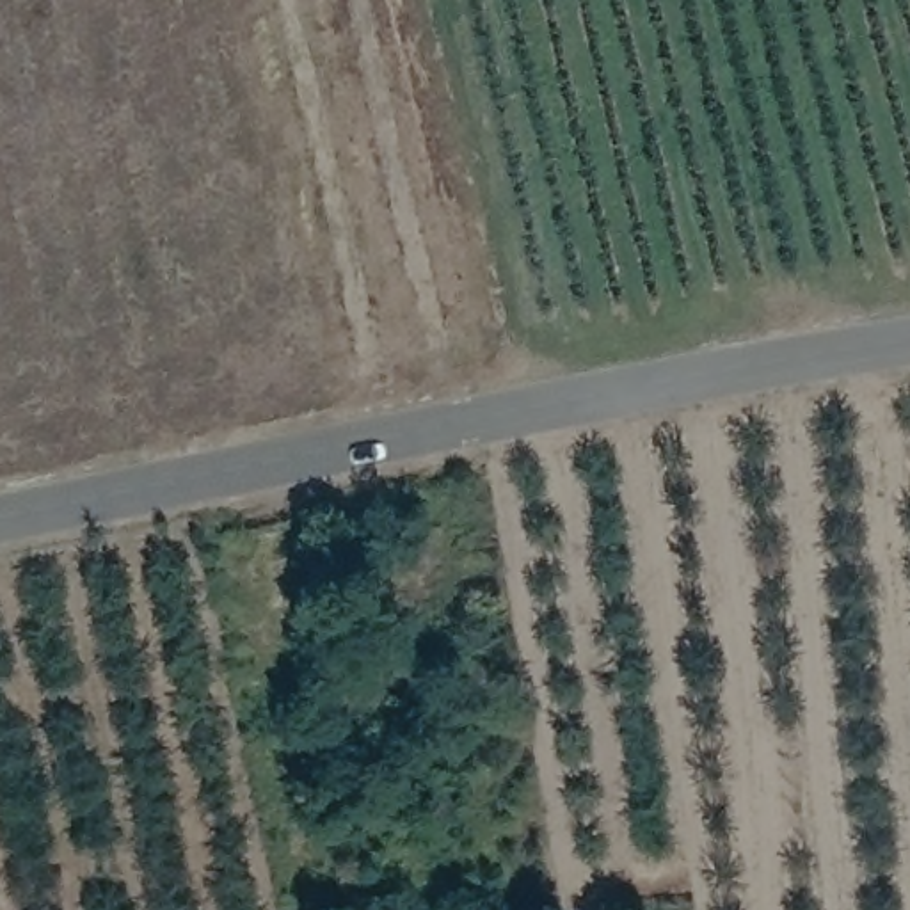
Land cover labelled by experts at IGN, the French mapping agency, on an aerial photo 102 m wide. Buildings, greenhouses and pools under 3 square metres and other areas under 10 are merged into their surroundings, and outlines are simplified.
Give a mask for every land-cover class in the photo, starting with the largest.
<instances>
[{"label":"agricultural land","instance_id":"1","mask_svg":"<svg viewBox=\"0 0 910 910\"><path fill-rule=\"evenodd\" d=\"M910 316V0H0V494L75 483L89 476L142 469L153 462H178L256 441L334 430L345 423L402 416L430 405H466L505 391L583 380L672 359H693L707 352L750 348L850 327L903 323Z\"/></svg>","mask_w":910,"mask_h":910},{"label":"deciduous trees","instance_id":"2","mask_svg":"<svg viewBox=\"0 0 910 910\"><path fill-rule=\"evenodd\" d=\"M818 444L821 487L825 494L864 491L860 466L853 459L857 416L842 398H828V405L818 409L810 427ZM729 437L739 451V491L750 505V551L757 558L761 579L754 594V647L771 683L764 690V704L775 714L778 729H793L800 722L803 700L793 686L796 640L786 626V526L771 512V501L782 491V476L775 466H764L771 448L768 423L729 419ZM572 469L579 473L590 501V576L597 583L601 601L594 640L615 651V668L601 672L597 683L604 690H619L622 697L615 707V729L622 739V771L629 789L626 818L633 846L647 857H665L672 846L665 810L668 775L658 722L647 704L651 654L643 643V615L629 601L633 558L626 544V508L619 498V462L608 441H579ZM658 459L665 473L668 505L679 519H690L697 512V501L690 483V455L679 441L661 448ZM508 473L523 498V530L533 544L558 547L562 515L547 501L540 459L526 444H515L512 451ZM288 526L281 523L270 530H249V515L231 508L192 512L188 537L196 540L199 558L188 562L178 540L146 537L142 579L164 640L174 729L181 732L185 757L199 778V803L213 814L206 878L217 910H259L256 882L245 864V842L259 835L274 892L281 896L295 892L299 871L338 878L341 885H373L387 878V867H402V892L370 899V906L363 910H508L505 889H483L469 878L459 892L444 896L441 903H427L430 871L455 860H491L505 835H515L508 818L515 814L519 800L537 786V700L530 690V672L523 668L515 651L508 597L501 594H469L462 633L451 640L455 661L434 668L437 675L430 679V690L419 697V707L437 722V736L430 743L416 746L409 739L398 757H384L373 768L331 764L327 771H316L320 789L284 782L277 764L281 754H309L348 739L352 722L363 711H377L384 704L387 686L405 679L416 661V636L402 622L412 608L395 601L391 576L416 569L419 551L430 537L427 519L416 512L398 515L395 508H366L359 519H352L345 512L323 508L309 515L302 544L320 547L352 537L366 547L370 565L355 572L348 583H327L316 597L299 601L295 629L313 633V651L306 654L309 668L295 693L299 704L281 725L270 722L267 675L284 647V594L277 579L284 569L281 537ZM220 675L228 683V693L238 700L242 764L249 771L252 793V810H245L242 818L231 814V782L220 736L224 718L210 697V683ZM825 590L832 604L828 647L835 661L839 704L835 732L842 764L853 768V782H846V814L857 839V860L864 864V885L857 889L860 910H896L892 793L878 778L885 729L878 718L882 643L871 597L878 579L864 555V515L825 512ZM78 572L89 590L96 658L103 679L114 690L110 722L121 739L117 750L135 818V860L142 871V892L149 899V910H199L188 889L185 842L178 832L174 775L167 764V750L156 736V704L149 700V672L142 643L135 636L128 572L121 555L107 544V533L100 530L82 533ZM672 551L679 555L675 590L686 608V629L675 643V661L686 679L683 707L690 711L697 729L714 732L722 725L718 697L725 661L718 640L711 636V619L700 597L697 540L693 533H679ZM18 629L36 683L43 690L75 686L82 683V665L71 647L60 565L53 555H28L18 562ZM565 579V572L555 562L537 558L526 572V583L533 597H540ZM533 629L547 651V686L558 711L555 754L565 764L569 757L590 754V729L583 722L579 672L569 665L572 636L565 615L562 608H547L544 615H537ZM14 665L7 636L0 629V910H60V867L50 857L53 835L46 821V796L60 793L75 850H107L117 842L121 828L110 810L107 768L100 764V754L92 746H85L82 704L60 697L43 704V729L53 743L57 761L53 771L43 775L36 743L25 725L28 714L4 697V683L11 679ZM722 754L700 750L697 757L686 754V764L704 782H718ZM562 789L576 853L590 860L604 857L608 839L597 818L601 782L594 771H583L569 775ZM82 910H132L124 882L85 878Z\"/></svg>","mask_w":910,"mask_h":910},{"label":"herbaceous vegetation","instance_id":"3","mask_svg":"<svg viewBox=\"0 0 910 910\"><path fill-rule=\"evenodd\" d=\"M828 398H842L857 416L853 459L860 466L864 491L825 494L821 487L818 444L810 427L818 409L828 405ZM729 419L768 423L771 448L764 466H775L782 476V491L771 501V512L786 526V626L796 640L793 686L803 700L800 722L793 729H778L775 714L764 704V690L771 683L754 647V594L761 579L757 558L750 551V505L739 491V451L729 437ZM579 441H608L619 462V498L626 508V544L633 558L629 601L643 615V643L651 654L647 704L658 722L668 775L665 810L672 846L665 857H647L633 846L626 818L629 789L622 771V739L615 729V707L622 697L619 690H604L597 683L601 672L615 668V651L594 640L601 601L597 583L590 576V501L579 473L572 469ZM679 441L690 455V483L697 501V512L690 519H679L668 505L665 473L658 459L661 448ZM540 459L547 501L562 515L558 547L533 544L523 530V498L508 473L512 451L501 437L462 441L459 448H441L409 459L387 451L384 462L359 469L355 480L348 473H338L331 483L306 480L291 487V494L284 487H259L228 498L181 501L167 512H139L107 523H100L92 512H82V526L0 540V629L7 636L14 665L11 679L4 683V697L28 714L25 725L36 743L43 775L53 771L57 761L53 743L43 729V704L60 697L82 704L85 746H92L100 754V764L107 768L110 810L121 828L117 842L107 850H75L60 793L46 796V821L53 835L50 857L60 867V910H82L85 878L124 882L132 910H149V899L142 892V871L135 860V818L117 750L121 739L110 722L114 690L103 679L96 658L89 590L78 572L82 533L100 530L107 533V544L121 555L128 572L135 636L142 643L149 672V700L156 704V736L167 750V764L174 775L178 832L185 842L188 889L199 910H217L206 878L213 814L199 803V778L185 757L181 732L174 729L164 640L142 579L146 537L178 540L188 562L199 558L196 540L188 537L192 512L231 508L249 515V530H270L281 523L288 526L281 537L284 569L277 579L284 594V647L267 675L270 722L281 725L299 704L295 693L309 668L306 654L313 651V633L295 629L299 601L316 597L327 583H348L355 572L370 565L366 547L352 537L320 547L302 544L309 515L323 508L345 512L352 519H359L366 508H395L398 515L416 512L419 498L405 491V483L398 480L402 473H437L448 459H466L476 473H483L491 483L494 526L505 558L501 594L508 597L515 651L523 668L530 672V690L537 700V786L519 800L515 814L508 818L515 835H505L491 860H455L430 871L427 903H441L444 896L459 892L469 878L483 889H505L508 910H640V892L658 889L693 892V910H860L857 889L864 885V864L857 860V839L846 814V782H853V768L842 764L835 732L839 704L835 661L828 647L832 604L825 590V512L864 515V555L878 579L871 597L882 643L878 718L885 729L878 778L892 793L896 910H910V370L889 366L878 373L814 377L786 387L725 395L704 402L700 409L654 405L643 416L587 419L530 434L526 444ZM679 533H693L697 540L700 597L711 619V636L718 640L725 661L718 697L722 725L714 732L697 729L690 711L683 707L686 679L675 661V643L686 629V608L675 590L679 555L672 551ZM28 555H53L60 565L71 647L82 665V683L75 686L43 690L36 683L18 629V562ZM537 558L555 562L565 572V579L540 597H533L526 583V572ZM547 608H562L565 615L572 636L569 665L579 672L583 722L590 729V754L569 757L565 764L555 754L558 711L547 686V651L533 629L537 615H544ZM700 750L722 754L718 782H704L686 764V754L697 757ZM583 771H594L601 782L597 818L608 839L604 857L590 860L576 853L562 789L569 775ZM210 697L224 718L220 736L231 782V814L242 818L245 810H252V793L249 771L242 764L238 700L228 693V683L220 675L210 683ZM245 864L256 882L259 910H363L370 906V899L402 892V867H387V878L373 885H341L338 878L299 871L295 892L281 896L274 892L259 835L245 842Z\"/></svg>","mask_w":910,"mask_h":910},{"label":"impervious surface","instance_id":"4","mask_svg":"<svg viewBox=\"0 0 910 910\"><path fill-rule=\"evenodd\" d=\"M889 366L910 370V316L903 323L850 327L750 348L707 352L693 359H672L583 380L505 391L466 405H430L402 416L345 423L334 430L256 441L178 462H153L142 469L89 476L75 483L0 494V540L82 526V512H92L100 523H107L139 512H167L181 501L228 498L259 487H284L291 494V487L306 480L331 483L338 473H348L355 480L359 469L384 462L387 451L409 459L441 448H459L462 441L501 437L512 451L515 444H526L530 434L587 419L643 416L654 405L700 409L704 402L725 395L786 387L814 377L878 373Z\"/></svg>","mask_w":910,"mask_h":910},{"label":"brushwood","instance_id":"5","mask_svg":"<svg viewBox=\"0 0 910 910\"><path fill-rule=\"evenodd\" d=\"M398 480L405 483V491L419 498L416 512L427 519L430 537L419 551L416 569L391 576L395 601L412 608L402 622L416 636V661L405 679L387 686L384 704L377 711H363L352 722L348 739L309 754H281L277 764L284 782L320 789L316 771H327L331 764L373 768L384 757H398L409 739L416 746L430 743L437 736V722L419 707V697L430 690V679L437 675L434 668L455 661L451 640L462 633L469 594H501L505 558L494 526L491 483L483 473H476L466 459H448L437 473H402ZM640 910H693V892L658 889L640 892Z\"/></svg>","mask_w":910,"mask_h":910}]
</instances>
